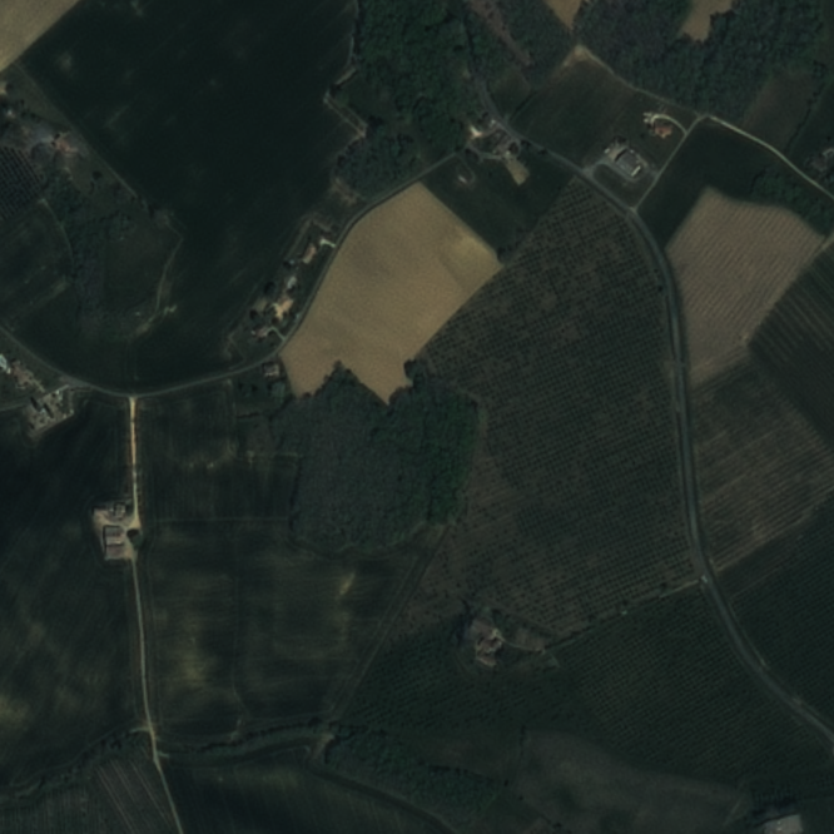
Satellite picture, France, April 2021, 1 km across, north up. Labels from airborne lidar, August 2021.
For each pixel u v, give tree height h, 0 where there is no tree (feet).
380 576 0
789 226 0
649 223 0
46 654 0
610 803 0
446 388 75
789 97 0
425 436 75
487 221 0
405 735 0
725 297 0
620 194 0
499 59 68
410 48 63
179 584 0
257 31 0
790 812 44
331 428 51
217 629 0
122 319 20
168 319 0
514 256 52
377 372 0
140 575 0
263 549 0
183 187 0
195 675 0
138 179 0
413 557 0
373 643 0
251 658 0
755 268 0
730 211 0
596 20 52
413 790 45
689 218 0
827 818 0
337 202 0
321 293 0
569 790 0
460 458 72
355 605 0
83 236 26
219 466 0
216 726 0
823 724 0
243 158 0
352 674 0
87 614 0
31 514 0
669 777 0
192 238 0
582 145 0
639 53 70
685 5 66
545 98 0
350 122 0
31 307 0
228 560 0
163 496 0
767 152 0
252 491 0
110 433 0
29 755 0
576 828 0
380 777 40
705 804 0
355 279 0
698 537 0
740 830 0
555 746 0
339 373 55
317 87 0
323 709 0
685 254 0
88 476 0
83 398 0
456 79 71
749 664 0
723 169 0
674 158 0
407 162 70
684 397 0
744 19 48
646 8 52
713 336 0
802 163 0
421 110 30
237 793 0
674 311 0
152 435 0
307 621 0
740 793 0
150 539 0
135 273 0
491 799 45
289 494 0
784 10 44
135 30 0
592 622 28
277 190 0
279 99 0
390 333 0
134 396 0
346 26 0
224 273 0
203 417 0
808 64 31
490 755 0
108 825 20
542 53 56
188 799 0
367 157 71
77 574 0
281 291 22
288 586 0
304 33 0
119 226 31
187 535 0
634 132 0
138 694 0
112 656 0
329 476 48
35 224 0
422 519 68
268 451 0
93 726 0
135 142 0
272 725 0
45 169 17
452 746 0
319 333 0
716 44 44
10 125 35
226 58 0
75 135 0
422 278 0
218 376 0
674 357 0
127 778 20
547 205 0
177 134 0
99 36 0
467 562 0
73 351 0
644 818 0
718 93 52
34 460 0
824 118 0
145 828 20
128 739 21
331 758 39
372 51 75
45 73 0
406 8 66
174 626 0
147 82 0
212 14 0
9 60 0
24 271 0
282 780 0
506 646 22
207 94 0
